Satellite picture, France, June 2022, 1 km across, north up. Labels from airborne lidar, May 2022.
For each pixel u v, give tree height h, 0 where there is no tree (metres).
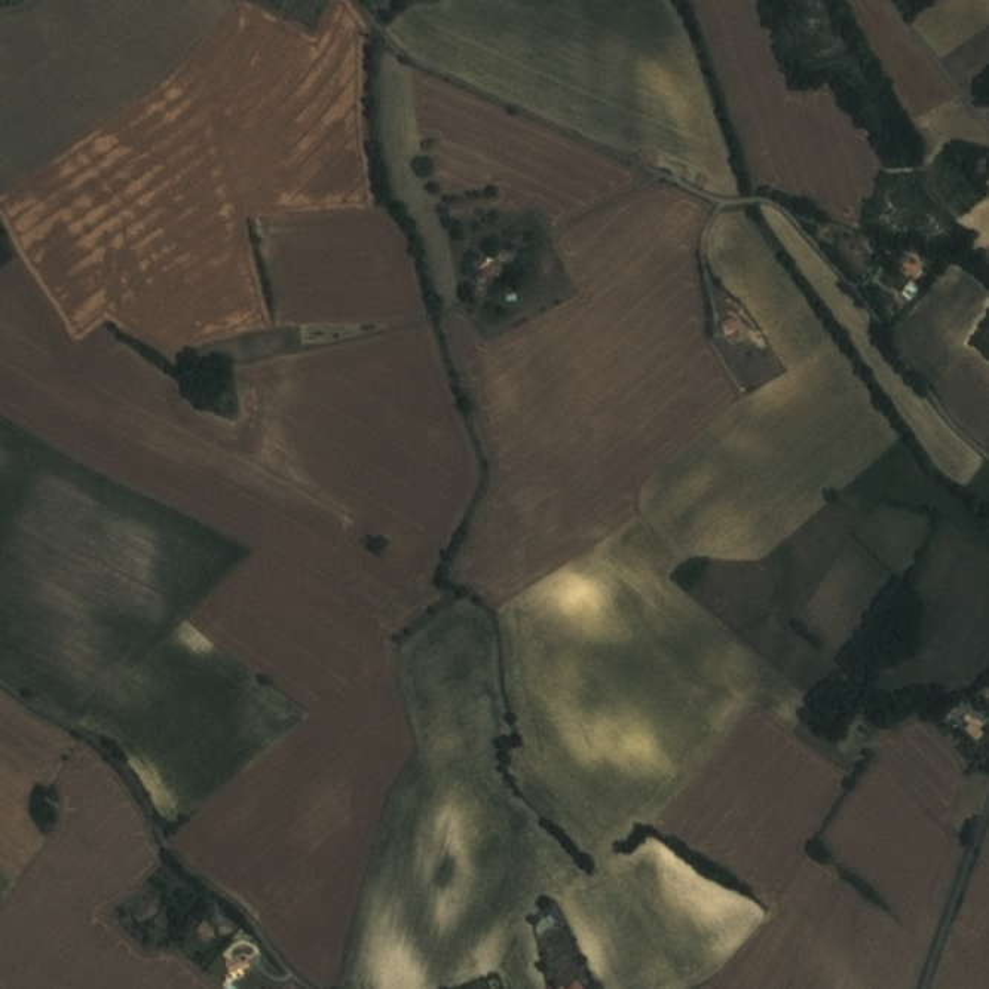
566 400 0
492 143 0
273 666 0
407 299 0
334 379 0
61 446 0
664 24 0
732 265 0
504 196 0
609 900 0
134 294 0
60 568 0
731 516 0
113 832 0
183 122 0
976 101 9
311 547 0
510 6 0
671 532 0
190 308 0
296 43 0
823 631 0
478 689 0
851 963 0
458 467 0
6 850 0
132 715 0
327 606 0
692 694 0
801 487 0
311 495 0
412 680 0
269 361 0
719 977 0
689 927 0
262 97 0
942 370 0
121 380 0
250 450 0
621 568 0
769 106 0
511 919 0
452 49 0
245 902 0
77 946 0
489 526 0
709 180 0
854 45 12
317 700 0
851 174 0
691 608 0
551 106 0
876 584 0
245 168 0
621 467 0
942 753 0
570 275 0
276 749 0
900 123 14
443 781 0
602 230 0
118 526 0
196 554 0
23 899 0
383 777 0
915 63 0
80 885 0
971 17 0
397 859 0
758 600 0
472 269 15
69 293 0
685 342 0
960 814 0
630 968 0
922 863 0
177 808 0
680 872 0
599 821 0
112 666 0
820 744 0
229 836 0
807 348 0
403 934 0
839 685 9
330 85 0
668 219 0
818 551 0
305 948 0
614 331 0
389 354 0
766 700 0
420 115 0
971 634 0
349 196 0
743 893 9
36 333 0
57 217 0
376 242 0
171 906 8
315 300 0
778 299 0
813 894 0
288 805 0
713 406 0
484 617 0
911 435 13
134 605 0
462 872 0
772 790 0
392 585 0
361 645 0
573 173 0
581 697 0
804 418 0
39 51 0
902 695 13
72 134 0
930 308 0
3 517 0
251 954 0
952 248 8
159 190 0
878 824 0
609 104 0
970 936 0
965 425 0
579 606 0
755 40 0
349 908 0
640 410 0
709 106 0
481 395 0
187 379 8
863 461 0
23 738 0
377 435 0
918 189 8
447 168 0
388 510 0
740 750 0
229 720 0
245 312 0
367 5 7
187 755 0
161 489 0
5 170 0
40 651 0
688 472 0
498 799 0
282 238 0
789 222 0
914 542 0
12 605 0
